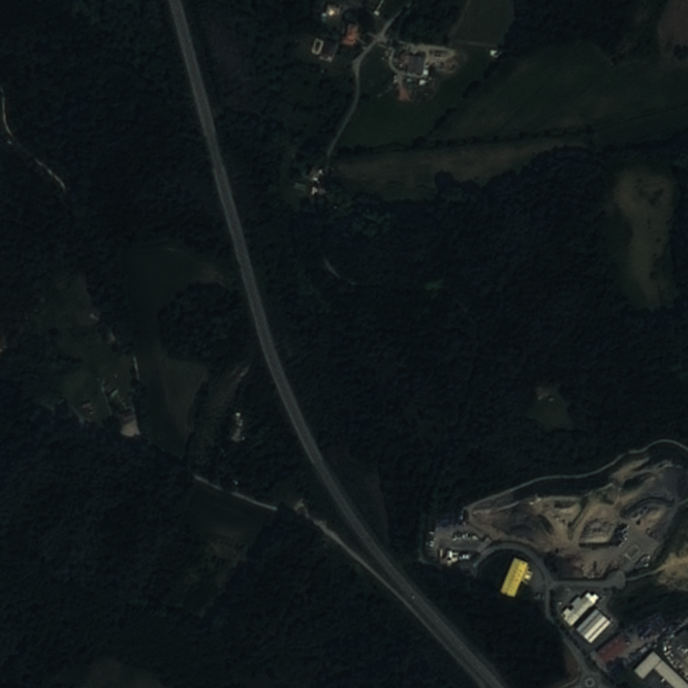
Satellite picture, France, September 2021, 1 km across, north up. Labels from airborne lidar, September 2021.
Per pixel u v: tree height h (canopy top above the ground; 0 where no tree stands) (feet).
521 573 0
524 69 0
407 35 42
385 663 57
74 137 71
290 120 0
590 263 72
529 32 66
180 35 0
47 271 74
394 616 32
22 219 56
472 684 25
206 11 33
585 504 0
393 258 68
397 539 64
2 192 58
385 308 63
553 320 52
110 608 71
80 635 62
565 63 0
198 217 49
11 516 77
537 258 77
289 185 0
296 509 0
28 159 67
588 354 50
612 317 46
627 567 0
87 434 59
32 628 71
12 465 78
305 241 73
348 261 65
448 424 37
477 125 0
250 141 47
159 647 75
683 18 0
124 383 0
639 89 0
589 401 45
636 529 0
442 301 66
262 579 78
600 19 44
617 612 0
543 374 49
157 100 75
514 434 70
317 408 27
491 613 80
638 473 0
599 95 0
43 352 33
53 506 67
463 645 0
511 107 0
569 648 0
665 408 62
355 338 25
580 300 57
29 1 88
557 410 0
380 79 0
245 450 41
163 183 26
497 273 78
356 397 60
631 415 52
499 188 46
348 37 0
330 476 0
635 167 0
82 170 67
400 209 19
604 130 0
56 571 66
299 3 27
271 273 29
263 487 22
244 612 68
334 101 23
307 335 51
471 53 0
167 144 49
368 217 55
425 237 71
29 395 22
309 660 24
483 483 44
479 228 52
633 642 0
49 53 69
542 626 76
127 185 50
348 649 75
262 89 19
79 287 0
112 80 71
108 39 44
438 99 0
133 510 101
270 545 86
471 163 0
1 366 34
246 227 38
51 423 52
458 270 61
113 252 64
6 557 64
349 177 0
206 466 20
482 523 0
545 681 68
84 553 84
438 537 0
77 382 0
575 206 68
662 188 0
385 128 0
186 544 63
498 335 58
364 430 90
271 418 55
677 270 57
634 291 0
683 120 0
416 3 25
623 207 0
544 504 0
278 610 54
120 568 64
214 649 73
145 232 31
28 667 54
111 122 46
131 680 0
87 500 101
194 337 60
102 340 61
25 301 62
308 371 29
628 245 0
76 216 74
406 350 73
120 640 72
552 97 0
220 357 37
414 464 35
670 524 0
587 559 0
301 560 61
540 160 25
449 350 80
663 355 70
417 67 0
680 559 0
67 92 27
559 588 0
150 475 87
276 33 30
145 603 54
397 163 0
